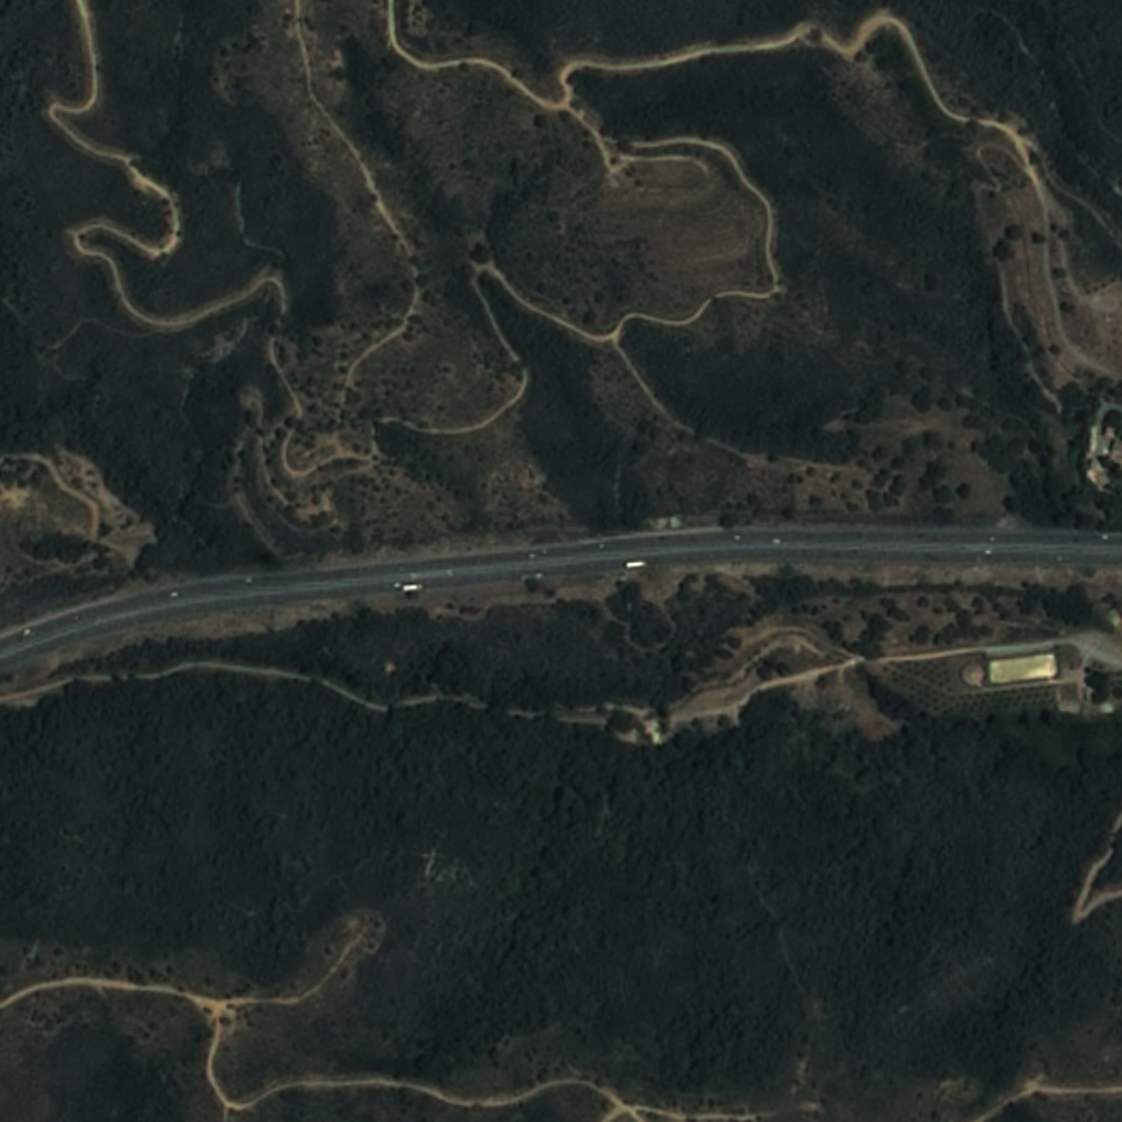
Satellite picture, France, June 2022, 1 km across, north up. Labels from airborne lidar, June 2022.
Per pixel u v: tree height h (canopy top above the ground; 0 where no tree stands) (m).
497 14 9
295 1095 6
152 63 12
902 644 0
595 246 7
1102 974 8
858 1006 9
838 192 8
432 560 0
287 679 10
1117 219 10
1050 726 18
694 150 7
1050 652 0
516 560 0
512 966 11
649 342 10
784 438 13
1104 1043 0
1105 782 17
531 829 8
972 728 13
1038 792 14
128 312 0
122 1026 0
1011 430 12
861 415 11
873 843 12
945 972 7
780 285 6
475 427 0
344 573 0
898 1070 8
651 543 0
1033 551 0
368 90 8
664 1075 9
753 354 6
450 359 0
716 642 11
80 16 0
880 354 10
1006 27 9
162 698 10
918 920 10
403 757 9
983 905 7
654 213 0
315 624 12
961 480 0
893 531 0
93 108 0
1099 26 9
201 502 8
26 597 7
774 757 6
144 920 6
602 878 10
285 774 9
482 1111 7
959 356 6
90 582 8
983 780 8
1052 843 18
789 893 10
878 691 19
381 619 10
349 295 0
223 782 9
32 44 8
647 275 6
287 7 0
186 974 0
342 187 0
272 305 8
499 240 8
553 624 6
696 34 7
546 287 10
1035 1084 0
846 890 9
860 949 11
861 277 9
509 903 14
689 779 11
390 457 8
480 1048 10
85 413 10
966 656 0
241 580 0
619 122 9
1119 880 8
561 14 9
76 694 11
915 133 6
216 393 6
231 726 7
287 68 0
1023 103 10
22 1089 0
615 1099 0
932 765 16
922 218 17
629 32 6
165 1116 11
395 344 0
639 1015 7
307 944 7
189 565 10
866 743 9
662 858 10
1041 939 9
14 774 7
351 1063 5
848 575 0
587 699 12
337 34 0
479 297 10
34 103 9
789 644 0
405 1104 7
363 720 11
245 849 10
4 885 8
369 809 12
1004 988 7
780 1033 11
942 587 10
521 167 11
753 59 11
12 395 11
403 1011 7
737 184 7
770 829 9
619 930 7
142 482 8
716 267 0
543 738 11
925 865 14
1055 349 9
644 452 9
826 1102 7
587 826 11
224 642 13
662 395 8
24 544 9
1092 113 7
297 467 0
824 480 0
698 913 11
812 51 13
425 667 9
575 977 8
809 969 9
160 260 6
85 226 0
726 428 13
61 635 0
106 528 9
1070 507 10
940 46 6
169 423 6
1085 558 0
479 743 12
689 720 0
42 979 0
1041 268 0
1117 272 6
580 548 0
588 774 16
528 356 9
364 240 0
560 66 0
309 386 6
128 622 0
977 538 0
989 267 9
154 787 6
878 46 11
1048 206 0
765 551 0
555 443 8
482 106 7
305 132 0
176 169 8
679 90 7
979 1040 10
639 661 11
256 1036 0
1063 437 0
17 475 8
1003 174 0
